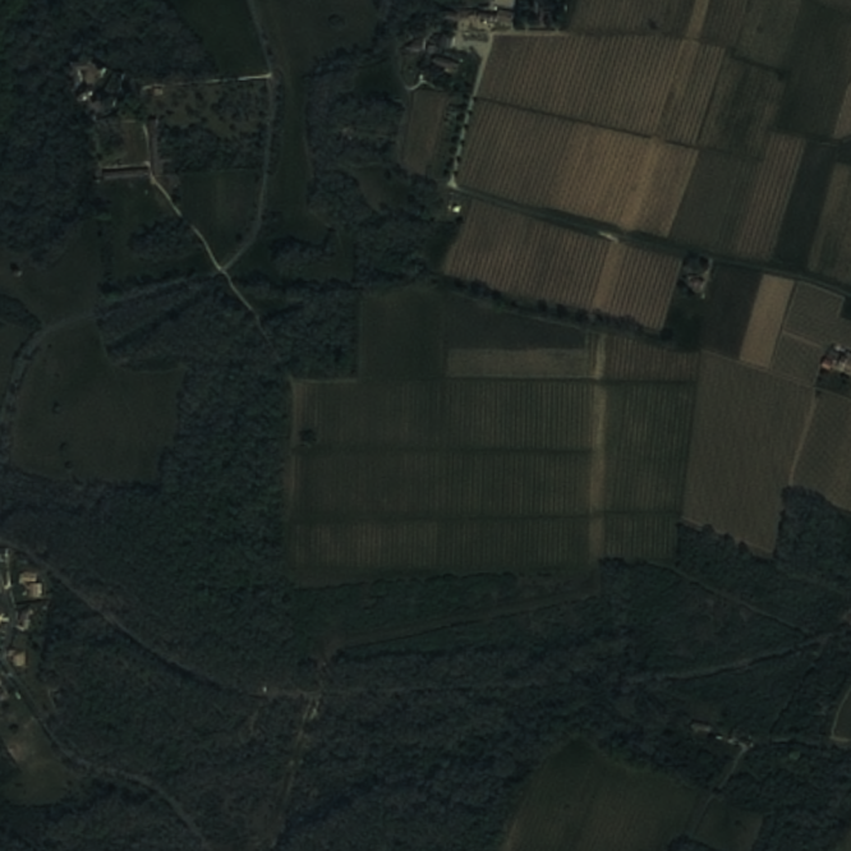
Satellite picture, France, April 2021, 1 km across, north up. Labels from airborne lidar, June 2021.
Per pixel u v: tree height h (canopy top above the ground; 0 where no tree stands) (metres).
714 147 0
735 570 10
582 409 0
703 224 0
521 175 0
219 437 18
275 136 7
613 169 0
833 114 0
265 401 21
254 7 0
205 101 17
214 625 15
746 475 0
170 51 18
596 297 0
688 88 0
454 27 6
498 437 0
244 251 0
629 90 0
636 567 6
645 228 0
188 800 16
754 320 0
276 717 13
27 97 20
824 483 0
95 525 14
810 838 10
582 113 0
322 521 0
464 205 0
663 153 0
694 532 10
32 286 0
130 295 16
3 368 0
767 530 0
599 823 0
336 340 12
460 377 0
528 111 0
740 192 0
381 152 17
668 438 0
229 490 13
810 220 0
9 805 6
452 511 0
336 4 0
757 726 6
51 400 0
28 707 5
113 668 14
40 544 13
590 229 0
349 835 20
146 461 0
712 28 0
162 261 6
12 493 8
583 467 0
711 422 0
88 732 12
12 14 23
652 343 0
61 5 33
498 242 0
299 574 0
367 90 0
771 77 0
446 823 20
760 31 0
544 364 0
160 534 16
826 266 0
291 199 0
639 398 0
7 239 6
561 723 25
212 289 9
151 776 15
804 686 10
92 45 25
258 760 15
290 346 15
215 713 15
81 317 0
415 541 0
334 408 0
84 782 7
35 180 23
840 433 0
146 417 0
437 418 0
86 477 0
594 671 21
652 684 19
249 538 20
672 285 0
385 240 15
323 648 0
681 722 12
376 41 8
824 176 0
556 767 0
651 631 6
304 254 16
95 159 14
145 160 0
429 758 11
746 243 0
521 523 0
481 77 0
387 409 0
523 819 0
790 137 0
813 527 21
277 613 14
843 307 0
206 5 0
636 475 0
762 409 0
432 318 0
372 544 0
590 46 0
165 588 15
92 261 0
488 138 0
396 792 27
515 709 17
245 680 15
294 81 0
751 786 9
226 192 0
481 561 0
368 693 12
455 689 17
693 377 0
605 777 0
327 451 0
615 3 0
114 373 0
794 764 10
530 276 0
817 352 0
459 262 0
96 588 19
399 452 0
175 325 14
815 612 10
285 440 11
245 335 8
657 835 0
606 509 0
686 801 0
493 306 17
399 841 10
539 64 0
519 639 6
